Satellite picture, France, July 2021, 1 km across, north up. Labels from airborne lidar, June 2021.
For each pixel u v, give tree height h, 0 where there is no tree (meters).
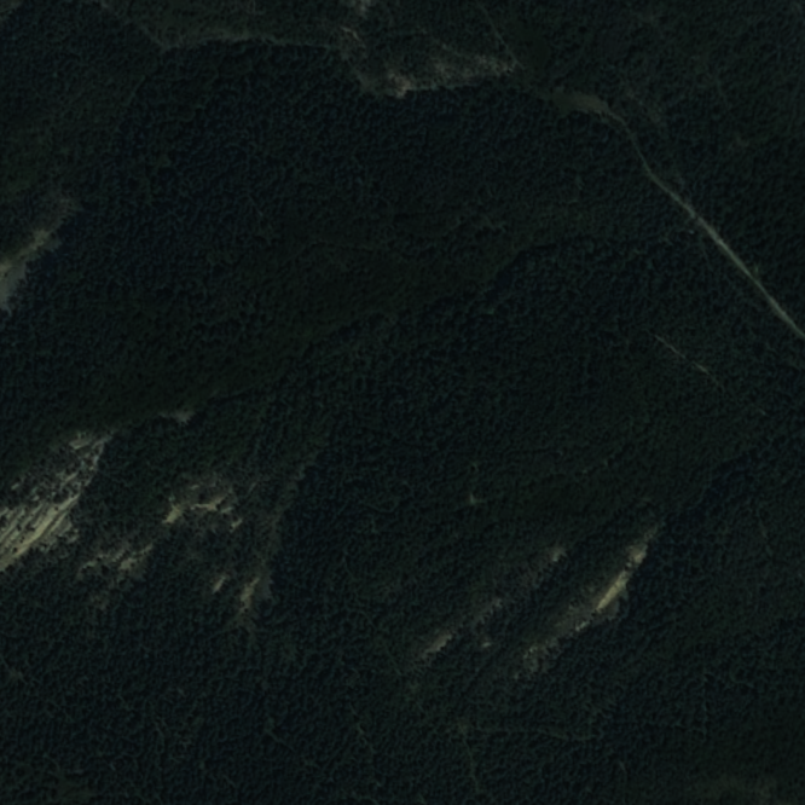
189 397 13
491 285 9
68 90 16
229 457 11
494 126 21
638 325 15
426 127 26
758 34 7
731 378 15
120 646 25
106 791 15
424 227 17
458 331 20
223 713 19
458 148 17
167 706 18
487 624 9
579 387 22
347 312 18
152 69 12
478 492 16
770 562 14
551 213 6
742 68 9
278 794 20
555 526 11
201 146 26
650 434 16
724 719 22
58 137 16
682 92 11
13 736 12
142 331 11
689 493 18
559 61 14
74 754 12
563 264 19
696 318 12
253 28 13
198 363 18
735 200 23
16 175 19
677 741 21
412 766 15
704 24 6
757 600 17
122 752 26
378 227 18
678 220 18
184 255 31
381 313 15
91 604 8
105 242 20
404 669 11
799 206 16
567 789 17
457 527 18
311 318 22
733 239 16
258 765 16
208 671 23
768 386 15
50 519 0
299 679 19
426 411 20
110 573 14
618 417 10
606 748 19
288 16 10
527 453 13
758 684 27
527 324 19
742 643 14
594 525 23
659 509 17
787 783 7
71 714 19
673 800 13
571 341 23
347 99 27
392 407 17
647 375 16
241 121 25
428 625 9
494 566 12
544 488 16
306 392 20
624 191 11
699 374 14
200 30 6
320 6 20
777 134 11
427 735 19
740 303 19
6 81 17
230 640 23
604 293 24
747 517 16
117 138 12
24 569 7
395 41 12
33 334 20
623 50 12
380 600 9
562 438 16
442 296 13
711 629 20
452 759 11
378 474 14
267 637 9
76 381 19
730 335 11
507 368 20
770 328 11
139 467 15
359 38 8
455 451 21
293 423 14
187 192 20
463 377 13
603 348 13
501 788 17
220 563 10
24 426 14
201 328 24
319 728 22
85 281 26
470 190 20
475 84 10
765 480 17
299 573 18
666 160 8
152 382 18
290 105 25
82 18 16
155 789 17
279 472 11
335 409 20
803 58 8
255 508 11
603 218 9
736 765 17
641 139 6
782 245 15
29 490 10
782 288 16
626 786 12
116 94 16
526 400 15
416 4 16
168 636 17
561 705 10
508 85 24
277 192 20
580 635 7
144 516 12
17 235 9
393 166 16
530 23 14
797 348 15
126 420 15
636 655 20
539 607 14
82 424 12
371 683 14
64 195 9
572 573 19
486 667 9
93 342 22
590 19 9
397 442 23
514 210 15
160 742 15
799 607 16
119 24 27
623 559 9
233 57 24
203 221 33
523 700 12
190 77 19
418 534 18
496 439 18
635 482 16
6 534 0
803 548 16
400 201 12
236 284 23
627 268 13
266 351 13
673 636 19
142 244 25
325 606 17
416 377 17
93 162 21
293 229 16
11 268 0
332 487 18
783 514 20
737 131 14
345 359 12
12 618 11
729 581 16
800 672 18
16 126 18
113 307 12
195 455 21
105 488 14
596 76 13
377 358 25
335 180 27
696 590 16
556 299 20
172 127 21
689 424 14
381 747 12
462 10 9
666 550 13
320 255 15
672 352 8
